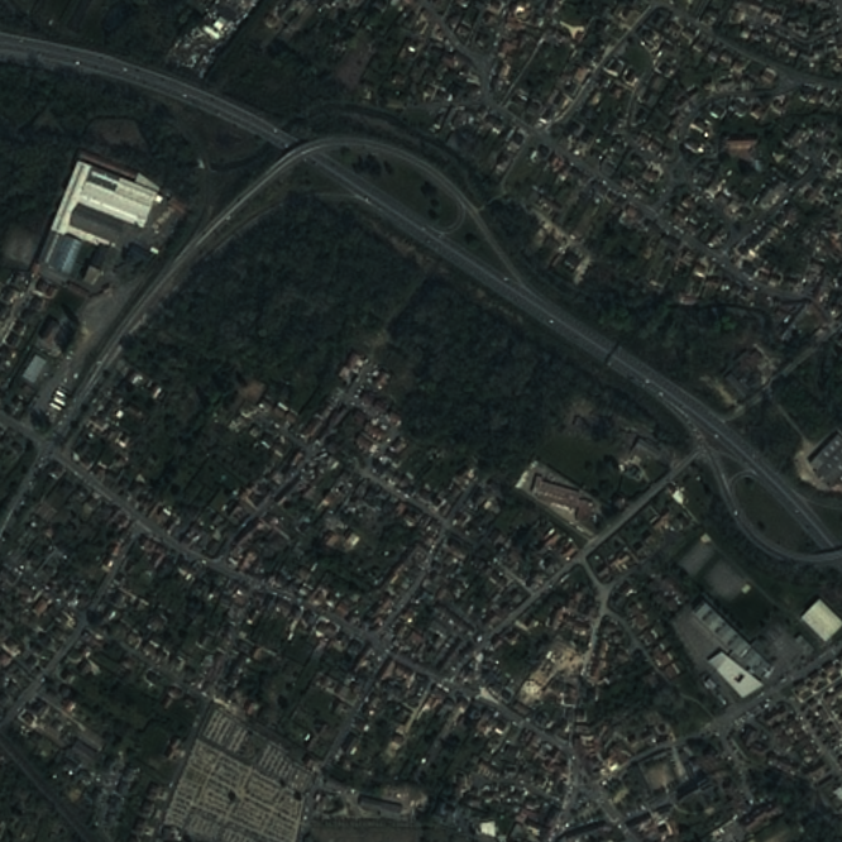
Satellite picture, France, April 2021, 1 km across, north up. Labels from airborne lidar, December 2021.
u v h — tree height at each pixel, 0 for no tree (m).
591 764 0
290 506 13
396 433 0
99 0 0
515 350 32
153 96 0
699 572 0
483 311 7
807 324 0
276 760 0
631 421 21
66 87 28
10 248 0
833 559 0
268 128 0
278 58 21
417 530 8
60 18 0
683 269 8
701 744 10
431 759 11
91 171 0
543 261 15
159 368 9
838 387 15
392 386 0
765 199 0
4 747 0
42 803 6
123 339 0
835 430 14
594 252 14
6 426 0
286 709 18
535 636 0
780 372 8
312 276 26
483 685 0
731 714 0
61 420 0
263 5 6
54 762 8
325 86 25
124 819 6
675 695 28
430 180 0
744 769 0
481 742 10
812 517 0
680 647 11
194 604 13
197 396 0
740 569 0
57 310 0
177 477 11
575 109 0
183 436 8
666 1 0
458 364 37
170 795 0
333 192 0
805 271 0
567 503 0
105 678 0
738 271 0
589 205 12
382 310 21
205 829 0
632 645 0
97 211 0
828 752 0
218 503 0
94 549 7
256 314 32
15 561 0
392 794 0
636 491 0
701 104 0
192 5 15
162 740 0
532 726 0
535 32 0
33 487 0
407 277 24
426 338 31
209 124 0
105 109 25
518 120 0
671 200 6
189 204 21
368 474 0
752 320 15
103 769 7
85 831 0
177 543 0
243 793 0
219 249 0
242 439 0
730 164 12
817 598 0
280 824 0
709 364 9
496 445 24
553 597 7
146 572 0
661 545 0
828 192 8
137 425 7
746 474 0
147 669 0
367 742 6
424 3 0
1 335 0
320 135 11
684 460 0
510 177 0
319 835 0
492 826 0
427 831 8
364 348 0
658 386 0
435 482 0
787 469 18
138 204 0
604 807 0
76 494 7
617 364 0
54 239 0
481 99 0
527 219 24
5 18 25
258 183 0
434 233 0
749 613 0
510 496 20
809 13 8
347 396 0
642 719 6
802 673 0
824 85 0
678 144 0
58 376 0
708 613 0
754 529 0
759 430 14
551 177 0
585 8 8
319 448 0
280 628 0
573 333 0
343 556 12
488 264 0
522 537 14
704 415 0
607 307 19
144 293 0
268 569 8
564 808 0
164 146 16
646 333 35
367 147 0
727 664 0
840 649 0
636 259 8
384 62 9
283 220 17
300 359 12
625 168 0
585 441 0
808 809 19
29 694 0
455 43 0
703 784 0
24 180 26
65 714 0
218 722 0
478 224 0
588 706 13
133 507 0
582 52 8
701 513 0
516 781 0
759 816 0
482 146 30
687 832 14
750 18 0
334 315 20
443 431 24
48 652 0
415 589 0
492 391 30
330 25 6
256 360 17
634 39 6
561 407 30
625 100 0
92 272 0
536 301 0
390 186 0
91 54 0
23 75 22
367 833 0
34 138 21
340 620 0
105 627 6
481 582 7
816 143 7
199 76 11
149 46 23
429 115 0
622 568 0
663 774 0
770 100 12
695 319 21
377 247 22
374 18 18
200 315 23
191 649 0
